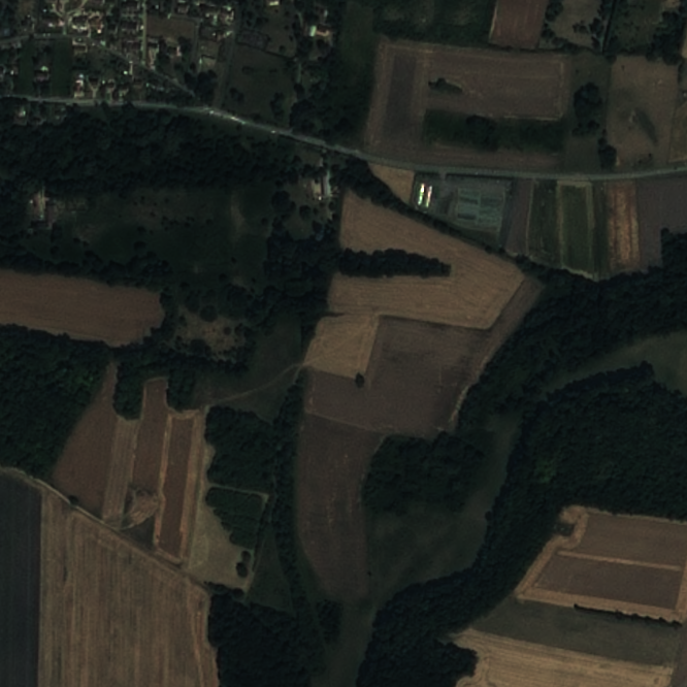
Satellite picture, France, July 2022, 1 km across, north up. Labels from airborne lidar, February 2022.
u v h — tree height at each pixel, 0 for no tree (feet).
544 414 75
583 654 0
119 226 0
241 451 35
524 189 0
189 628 0
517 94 0
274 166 23
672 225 0
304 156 0
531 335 73
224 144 28
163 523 0
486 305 0
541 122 0
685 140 0
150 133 55
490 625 0
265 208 0
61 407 72
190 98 44
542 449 65
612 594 0
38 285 0
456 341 0
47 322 0
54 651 0
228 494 25
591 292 65
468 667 71
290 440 43
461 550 0
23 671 0
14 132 25
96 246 0
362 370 0
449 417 0
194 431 0
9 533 0
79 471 0
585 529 0
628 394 65
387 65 0
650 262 0
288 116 55
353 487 0
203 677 0
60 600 0
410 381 0
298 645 70
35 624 0
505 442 0
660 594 0
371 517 0
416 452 64
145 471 0
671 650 0
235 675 81
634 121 0
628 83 0
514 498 73
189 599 0
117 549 0
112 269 42
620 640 0
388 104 0
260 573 0
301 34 37
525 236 0
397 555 0
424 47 0
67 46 0
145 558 0
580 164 0
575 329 31
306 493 0
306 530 0
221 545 0
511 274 0
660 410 55
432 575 0
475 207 0
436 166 0
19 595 0
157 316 0
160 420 0
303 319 56
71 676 0
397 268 46
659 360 0
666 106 0
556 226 0
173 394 51
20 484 0
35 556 0
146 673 0
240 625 67
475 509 0
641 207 0
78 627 0
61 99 0
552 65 0
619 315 69
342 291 0
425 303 0
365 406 0
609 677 0
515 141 0
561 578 0
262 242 0
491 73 0
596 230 0
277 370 0
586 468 31
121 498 0
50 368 57
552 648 0
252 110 0
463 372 0
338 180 21
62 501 0
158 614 0
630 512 24
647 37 0
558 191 0
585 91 41
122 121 22
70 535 0
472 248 0
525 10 0
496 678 0
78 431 0
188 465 0
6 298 0
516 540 67
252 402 0
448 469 43
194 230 0
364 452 0
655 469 35
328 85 46
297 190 0
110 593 0
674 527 0
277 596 0
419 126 0
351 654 0
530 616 0
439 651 71
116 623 0
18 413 73
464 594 72
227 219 0
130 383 71
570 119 0
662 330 66
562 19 0
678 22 22
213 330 0
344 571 0
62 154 41
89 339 0
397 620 64
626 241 0
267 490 17
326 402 0
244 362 19
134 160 40
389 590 0
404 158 0
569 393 40
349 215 0
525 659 0
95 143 39
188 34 0
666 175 0
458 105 0
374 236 0
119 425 0
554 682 0
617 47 30
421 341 0
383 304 0
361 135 0
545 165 0
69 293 0
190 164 25
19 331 65
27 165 43
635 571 0
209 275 0
